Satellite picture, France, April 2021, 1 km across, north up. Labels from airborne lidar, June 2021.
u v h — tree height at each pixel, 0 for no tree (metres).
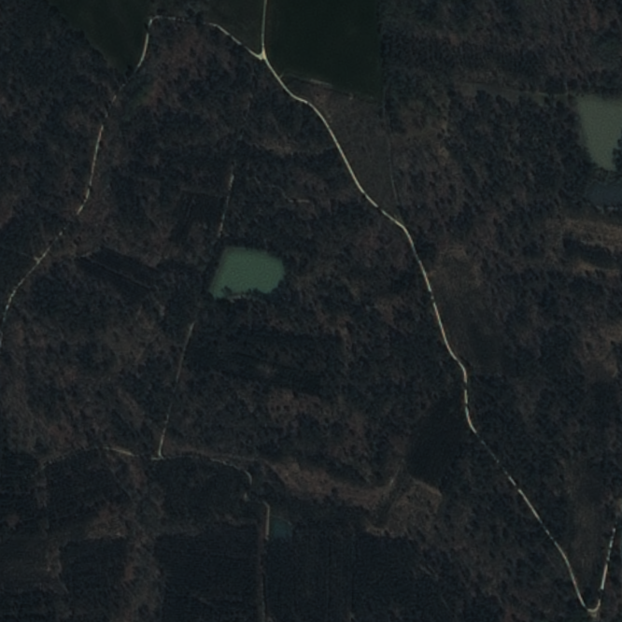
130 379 20
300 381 6
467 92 0
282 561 16
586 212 15
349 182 15
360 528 12
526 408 9
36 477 13
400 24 14
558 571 19
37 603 11
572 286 10
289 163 13
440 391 19
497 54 18
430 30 16
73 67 16
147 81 13
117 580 18
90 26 0
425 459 7
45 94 11
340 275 18
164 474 13
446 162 10
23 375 12
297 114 17
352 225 13
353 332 21
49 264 7
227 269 0
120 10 0
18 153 17
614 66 16
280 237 12
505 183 18
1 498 10
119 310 10
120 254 6
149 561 10
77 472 14
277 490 11
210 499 15
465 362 12
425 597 19
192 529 18
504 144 18
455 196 14
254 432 7
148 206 10
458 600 16
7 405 11
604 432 14
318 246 19
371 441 15
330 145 21
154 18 9
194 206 8
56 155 10
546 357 20
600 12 15
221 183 14
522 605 15
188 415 13
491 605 14
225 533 12
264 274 0
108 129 17
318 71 0
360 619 18
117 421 15
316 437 21
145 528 20
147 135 14
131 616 7
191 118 11
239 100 26
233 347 11
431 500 0
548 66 13
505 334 11
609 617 12
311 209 8
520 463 17
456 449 6
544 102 0
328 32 0
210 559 13
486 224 11
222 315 12
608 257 17
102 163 9
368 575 18
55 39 13
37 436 13
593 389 7
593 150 0
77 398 21
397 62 13
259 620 12
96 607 23
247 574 12
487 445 22
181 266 6
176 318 17
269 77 11
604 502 9
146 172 13
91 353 17
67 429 9
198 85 10
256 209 18
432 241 11
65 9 0
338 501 21
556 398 13
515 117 13
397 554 17
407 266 12
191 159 17
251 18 0
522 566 16
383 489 0
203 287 18
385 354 20
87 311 15
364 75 0
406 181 10
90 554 8
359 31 0
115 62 0
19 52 13
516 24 26
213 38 10
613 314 13
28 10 18
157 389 21
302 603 16
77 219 13
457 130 23
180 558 13
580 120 9
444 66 18
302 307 22
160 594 9
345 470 11
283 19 0
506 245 18
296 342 13
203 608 13
